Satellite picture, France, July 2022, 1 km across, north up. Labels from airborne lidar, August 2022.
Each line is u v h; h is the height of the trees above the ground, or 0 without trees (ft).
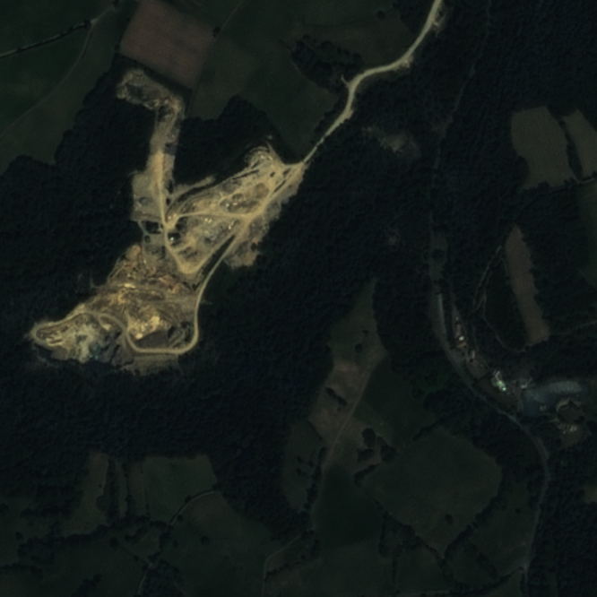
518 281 0
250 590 0
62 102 0
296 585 0
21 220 60
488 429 77
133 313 0
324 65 38
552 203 62
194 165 65
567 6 81
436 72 56
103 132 79
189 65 0
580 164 46
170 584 48
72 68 0
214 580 0
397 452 24
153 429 55
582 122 0
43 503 27
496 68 53
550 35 62
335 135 26
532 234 48
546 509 47
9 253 53
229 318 55
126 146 68
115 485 22
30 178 57
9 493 56
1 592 0
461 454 0
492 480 0
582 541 53
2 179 46
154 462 0
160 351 0
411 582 0
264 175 0
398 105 44
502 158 51
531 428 30
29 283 45
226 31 0
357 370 0
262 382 92
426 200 30
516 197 72
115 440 90
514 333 25
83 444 52
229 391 65
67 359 0
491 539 0
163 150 0
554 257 49
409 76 27
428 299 39
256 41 0
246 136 54
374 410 0
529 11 58
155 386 52
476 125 52
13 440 54
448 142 52
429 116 41
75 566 0
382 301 69
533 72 65
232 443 28
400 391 0
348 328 0
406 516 0
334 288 31
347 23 0
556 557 24
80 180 76
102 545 0
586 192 0
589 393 0
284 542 19
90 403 58
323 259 57
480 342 24
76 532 0
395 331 85
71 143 57
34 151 0
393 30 0
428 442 0
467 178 59
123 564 0
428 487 0
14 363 54
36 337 0
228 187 0
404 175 51
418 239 30
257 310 68
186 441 71
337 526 0
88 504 0
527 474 73
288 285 60
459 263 55
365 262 47
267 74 0
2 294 41
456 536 0
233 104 41
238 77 0
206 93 0
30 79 0
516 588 0
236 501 91
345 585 0
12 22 0
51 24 0
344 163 19
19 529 0
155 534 0
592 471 39
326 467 0
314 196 70
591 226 0
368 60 0
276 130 21
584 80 58
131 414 62
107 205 28
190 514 0
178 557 0
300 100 0
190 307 0
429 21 0
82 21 0
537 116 0
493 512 52
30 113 0
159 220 0
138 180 0
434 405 78
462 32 85
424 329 93
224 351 39
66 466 62
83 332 0
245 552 0
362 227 56
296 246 52
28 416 53
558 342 62
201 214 0
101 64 0
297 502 0
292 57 27
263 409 90
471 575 0
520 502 0
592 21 78
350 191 68
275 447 62
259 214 0
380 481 0
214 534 0
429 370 24
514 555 0
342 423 0
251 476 99
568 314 29
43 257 25
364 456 32
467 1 58
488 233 57
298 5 0
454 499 0
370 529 0
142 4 0
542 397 0
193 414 78
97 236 60
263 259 41
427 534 0
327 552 0
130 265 0
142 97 0
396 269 40
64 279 60
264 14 0
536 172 0
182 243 0
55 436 32
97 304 0
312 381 84
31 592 0
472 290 28
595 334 44
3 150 0
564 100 68
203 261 0
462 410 74
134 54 0
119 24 0
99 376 34
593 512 46
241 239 0
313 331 46
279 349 38
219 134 50
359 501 0
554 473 48
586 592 116
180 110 0
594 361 34
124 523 29
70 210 95
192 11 0
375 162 43
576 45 73
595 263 0
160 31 0
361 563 0
